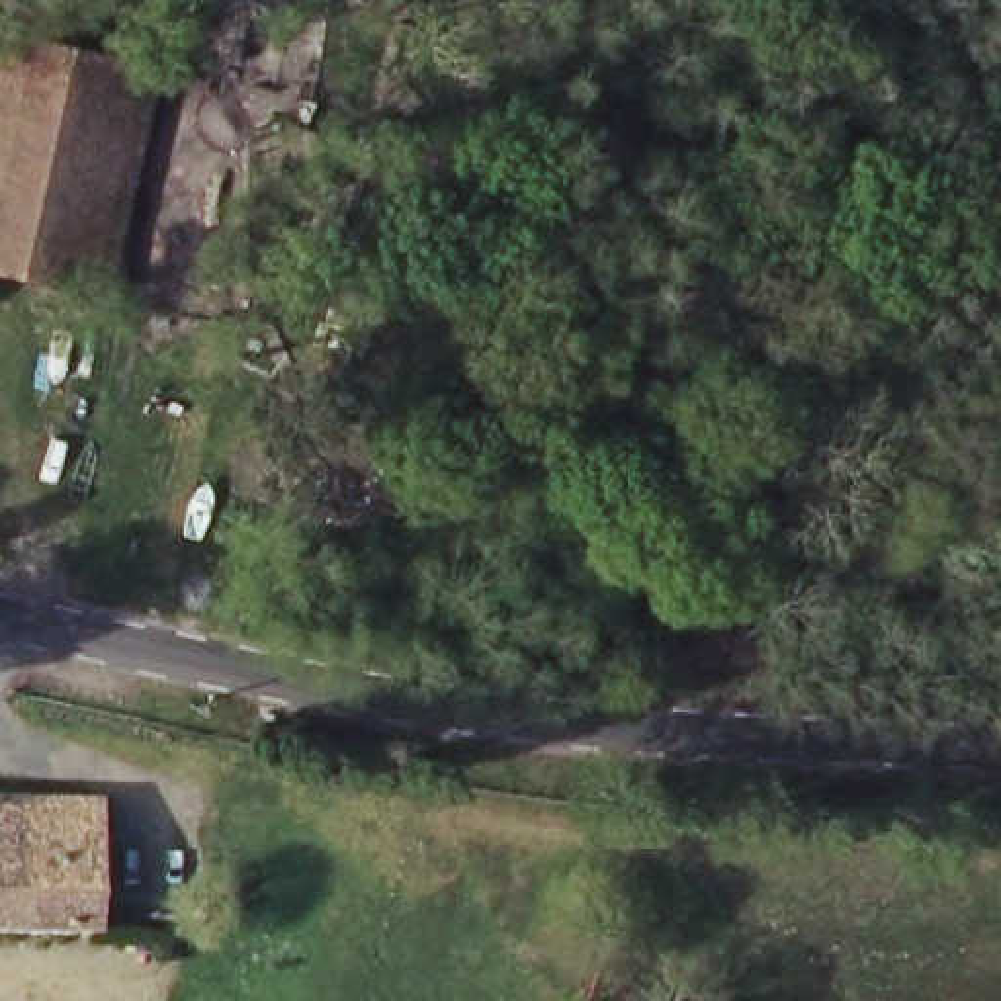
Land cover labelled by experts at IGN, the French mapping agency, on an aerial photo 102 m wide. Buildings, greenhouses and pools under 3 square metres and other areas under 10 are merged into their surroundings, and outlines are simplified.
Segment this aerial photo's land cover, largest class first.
<instances>
[{"label":"deciduous trees","instance_id":"1","mask_svg":"<svg viewBox=\"0 0 1001 1001\"><path fill-rule=\"evenodd\" d=\"M203 0H0V59L31 63L47 47L102 51L109 43V51L121 63L125 86L160 94L176 90L184 98L203 70L219 66L215 35L199 27ZM254 12H262V35L274 51H289V43L305 39L309 23L301 8H321L328 0H246ZM391 8L399 16L403 43L395 47V55H379V78L371 90L356 94L332 86L321 141L313 156L301 164L297 180H282L274 192H250L219 196L215 223H207V242L199 246V258L192 266V278L199 285L223 282V289H235L239 309H246L250 301H270L285 313L293 352L278 368L270 395L254 399V442L266 450V477H274L278 485H293L297 504L289 508V524L250 520V504L235 497L227 512L211 508V524L203 536L223 547L207 598L211 637L274 661L297 633V641L313 657H332V665L375 669L383 661L391 680L407 696H430L438 688L493 692L512 684L528 692V719L540 723L575 719L583 708L641 716L661 696L665 704H676V712L727 700H759L774 716L798 712L809 719L825 712H845L849 723L864 731H872L888 712H895V719L903 723H915L942 719L954 708L958 716L989 719L1001 739V0H360ZM336 461L375 469L387 493L395 497V508L371 536L360 524H317V485L328 477ZM16 289L27 297V309H43L47 321L66 336L78 332L82 313H98L94 340L113 336L117 344H129L133 332L145 317V305L121 278L106 262H78L63 274V285H20ZM192 348V375H215L219 348L246 360V340L266 344V336L258 321H215L180 332ZM254 751L266 755L270 766H282L289 778L305 786L336 782L352 794H395L442 809L469 805L465 786L450 774V766L422 759L407 739L368 743L352 759L344 751L313 747L297 731L266 723V735L254 743ZM547 802L555 817L583 829L587 849H665L680 837H692L719 864H774L790 837H798L805 825H817L809 837L829 856H849L856 837H876L880 852L895 860L907 880H938L946 888L962 880L966 852L1001 849V782L974 786L966 794L954 778H938L931 770H805L786 786L782 774L751 778L743 766L723 770L716 762H669L665 770H657V762H633L622 751L606 747L571 755V762L555 774ZM242 911L235 876L227 868H215L211 860L203 864L192 880L172 888L176 919L180 938H188L192 946L215 950ZM544 923L524 938L536 946L540 962H555L587 993V1001H731L719 970L708 962L704 950L661 954L657 946H645V938H633L630 903L622 888H614L602 872H590L551 880L544 888Z\"/></svg>","mask_w":1001,"mask_h":1001},{"label":"herbaceous vegetation","instance_id":"2","mask_svg":"<svg viewBox=\"0 0 1001 1001\"><path fill-rule=\"evenodd\" d=\"M309 23H325V63L317 66V82H305L313 117L305 121L297 113H274L270 121H262L270 145L266 152L250 156V192H274L282 180H297L301 164L313 156L321 141L332 86L356 94L371 90L379 78V55H395V47L403 43L399 16L391 8L360 0H328L321 8H301ZM20 285L12 278H0V594L47 610H59L63 602L117 606L121 614L156 610L164 618H188L211 637L207 598L223 547L203 536L211 524V508L227 512L235 497L250 504V520L289 524V508L297 504L293 485H278L274 477H266V450L254 442V399L270 395L278 368L293 352L285 313L270 301H250L246 309H239L235 289H223L215 321H258L266 336V344L246 340V360L219 348L215 375H192V348L180 332L149 348L133 332L129 344H117L113 336L94 340L98 313H82L78 332L66 336L47 321L43 309H27V297L16 289ZM12 680L8 704L31 731L94 747L137 770H172L184 782H196L207 794L199 833L192 837L203 864L211 860L215 868H227L235 876L242 911L215 950L192 946V958L176 962L168 1001H587V993L555 962H540L536 946L524 938L544 923V888L551 880L590 872H602L614 888H622L630 903L633 938H645V946H657L661 954L704 950L708 962L719 970L731 1001H1001V849L966 852L962 880L946 888L938 880H907L895 860L880 852L876 837H856L849 856H829L809 837L817 825H805L798 837H790L774 864H719L692 837H680L665 849H587L583 829L555 817L547 802L555 774L571 762V755L563 751V743H551L547 751L450 766V774L465 786L469 805L442 809L395 794H352L336 782L305 786L289 778L282 766H270L266 755L254 751V743L266 735V723L250 696L196 692L192 684L160 680L149 669H117L106 665V657L94 645H82L66 661L4 669ZM94 946V938L0 935V950Z\"/></svg>","mask_w":1001,"mask_h":1001},{"label":"pervious surface","instance_id":"3","mask_svg":"<svg viewBox=\"0 0 1001 1001\"><path fill-rule=\"evenodd\" d=\"M199 27L215 35L219 66L203 70L184 98L176 90L160 94L152 102L145 156L137 164V192L121 246V278L145 305V317L133 332L149 348L180 332L215 321L223 289V282L199 285L192 278V266L199 258V246L207 242V223H215L219 196L250 192V156L266 152L270 145L262 121H270L274 113H297L305 121L313 117L305 82H317V66L325 63V23H309L305 39L289 43V51H274L262 35V12H254L246 0H203ZM12 680L4 669H0V798L82 794L106 802V923L156 931L164 919H176L172 888L192 880L203 864L192 837L199 833L207 794L196 782H184L172 770H137L94 747L31 731L8 704ZM176 962H156L141 946H94L0 950V1001H168Z\"/></svg>","mask_w":1001,"mask_h":1001},{"label":"impervious surface","instance_id":"4","mask_svg":"<svg viewBox=\"0 0 1001 1001\"><path fill-rule=\"evenodd\" d=\"M82 645H94L106 657V665L117 669H149L160 680L192 684L196 692L250 696L266 723L297 731L313 747L344 751L352 759L368 743L407 739L422 759L450 766L547 751L551 743H563V751L571 755L606 747L622 751L633 762H657V770H665L669 762H716L723 770L743 766L751 778L782 774L786 786L805 770H931L938 778H954L966 794L974 786L1001 782V739L989 719L958 716L954 708L942 719L915 723H903L895 719V712H888L872 731H864L849 723L845 712H825L809 719L798 712L774 716L759 700H727L676 712V704H665L661 696L641 716L583 708L575 719L540 723L528 719V692L512 684L493 692L438 688L430 696H407L391 680L383 661L375 669L332 665V657H313L297 641V633L274 661L211 637L188 618H164L156 610L121 614L117 606L63 602L59 610H47L0 594V669H4L66 661Z\"/></svg>","mask_w":1001,"mask_h":1001},{"label":"building","instance_id":"5","mask_svg":"<svg viewBox=\"0 0 1001 1001\"><path fill-rule=\"evenodd\" d=\"M160 94L125 86L121 63L109 51V43L102 51L47 47L31 63L0 59V278H12L20 285H63V274L78 262H106L121 278V246L137 192V164L145 156L152 102ZM106 802L82 794L0 798V935L94 938V931H106Z\"/></svg>","mask_w":1001,"mask_h":1001},{"label":"bare soil","instance_id":"6","mask_svg":"<svg viewBox=\"0 0 1001 1001\"><path fill-rule=\"evenodd\" d=\"M317 524H360L371 536L395 508V497L387 493L375 469L336 461L328 477L317 485Z\"/></svg>","mask_w":1001,"mask_h":1001},{"label":"brushwood","instance_id":"7","mask_svg":"<svg viewBox=\"0 0 1001 1001\"><path fill-rule=\"evenodd\" d=\"M94 946H141L156 962H176L192 958V946L188 938H180L176 919H164L156 931L106 923V931H94Z\"/></svg>","mask_w":1001,"mask_h":1001}]
</instances>
